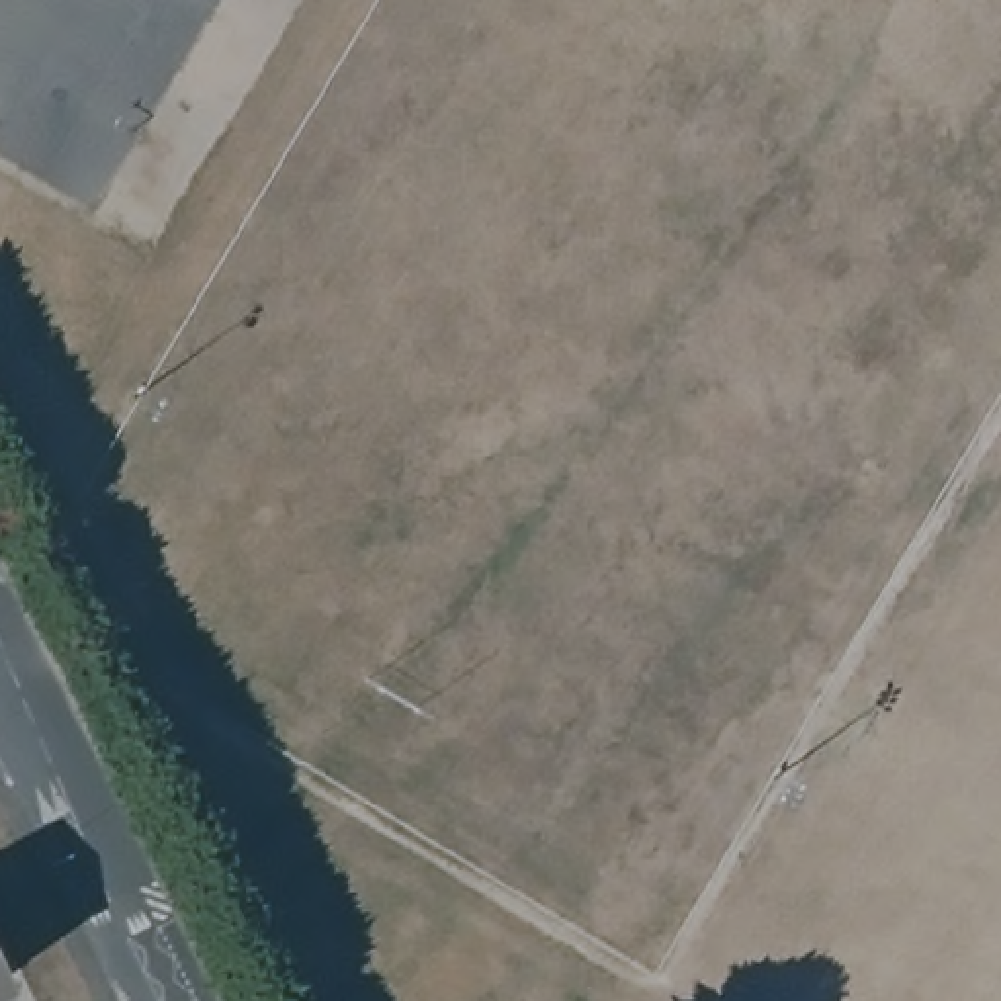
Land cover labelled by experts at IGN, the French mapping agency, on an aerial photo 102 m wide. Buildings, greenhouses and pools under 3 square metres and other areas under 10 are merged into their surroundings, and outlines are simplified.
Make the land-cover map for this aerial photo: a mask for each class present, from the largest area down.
<instances>
[{"label":"herbaceous vegetation","instance_id":"1","mask_svg":"<svg viewBox=\"0 0 1001 1001\"><path fill-rule=\"evenodd\" d=\"M1001 395V0H301L278 47L270 51L258 82L242 98L239 113L215 137L211 152L176 199L164 231L156 239H137L121 227H102L98 211L0 156V403L8 407L12 430L27 450V469L35 473V485L51 493V567L59 575L66 567L90 571V587L109 614L102 653H129L133 688H145L160 716H168L172 743L180 747L176 766L199 774V805L211 809L215 821L235 837V876L250 880L266 895L270 927L262 931V938L274 954L282 950L293 958V978L305 985V1001H1001V434L985 454L981 473L962 497L958 512L938 532L927 559L911 571L907 587L895 594L856 673L841 688V723L817 735L802 759H790V774L805 778V790L774 805L759 837L747 845L735 876L719 892L700 938L692 942V958H673L665 942L692 911L700 888L727 852L731 833L743 821L751 798L770 778L766 759L794 739L805 704L821 692V680L833 673L837 657L860 630L884 579L895 571L899 555L915 540L923 516L935 508L954 461L966 454L970 434L981 426L985 411ZM512 520H524L536 536L512 571L489 575L485 559L497 551ZM297 743H317V766L352 786L360 798L379 802L395 817L434 833L442 845L461 852V860L489 868L508 888H520L536 903L555 907L563 919L579 923L598 942L637 958L649 970H665L673 985H630L610 970L594 966L590 958H583L579 950H571L567 942L536 931L501 903L457 884L422 856L371 833L356 817L328 805L309 813L305 794L293 778V762L285 759V747Z\"/></svg>","mask_w":1001,"mask_h":1001},{"label":"impervious surface","instance_id":"2","mask_svg":"<svg viewBox=\"0 0 1001 1001\"><path fill-rule=\"evenodd\" d=\"M219 0H0V156L98 211L109 180L125 164L137 133L152 121L164 90L184 66L188 51L196 47L203 23L215 16ZM20 587L0 559V1001H211L199 966L172 919L164 884H152L141 849L133 845L102 782V770L90 755L98 739L70 688V676L63 661H55V653L47 649L35 618H20Z\"/></svg>","mask_w":1001,"mask_h":1001},{"label":"deciduous trees","instance_id":"3","mask_svg":"<svg viewBox=\"0 0 1001 1001\"><path fill-rule=\"evenodd\" d=\"M0 559L20 587V618H35L47 649L55 653V661H63L70 676V688L98 739L90 755L102 770V782L133 845L141 849L152 884H164L172 919L199 966L211 1001H305V985L293 978V958L282 950L274 954L262 938V931L270 927L266 895L250 880L235 876V837L215 821L211 809L199 805V774L176 766L180 747L172 743L168 716H160L145 688H133L129 653H102L109 614L90 587V571L66 567L59 575L51 567V493L35 485V473L27 469V450L12 430L8 407L0 403ZM536 536L524 520H512L497 551L485 559L489 575L512 571Z\"/></svg>","mask_w":1001,"mask_h":1001},{"label":"pervious surface","instance_id":"4","mask_svg":"<svg viewBox=\"0 0 1001 1001\"><path fill-rule=\"evenodd\" d=\"M301 0H219L215 16L203 23L196 47L188 51L184 66L164 90L152 121L137 133L125 164L109 180L98 211L102 227H121L137 239H156L164 231L176 199L211 152L215 137L239 113L242 98L258 82L270 51L278 47ZM1001 434V395L985 411L981 426L970 434L966 454L954 461L935 508L923 516L915 540L899 555L895 571L884 579L860 630L837 657L833 673L821 680V692L805 704L794 739L766 759L770 778L751 798L743 821L731 833L727 852L700 888L692 911L665 942L673 958H692V942L700 938L719 892L735 876L747 845L759 837L774 805L805 790V778L790 774V759H802L817 735L841 723V688L856 673L895 594L907 587L911 571L927 559L938 532L958 512L962 497L981 473L985 454ZM285 759L293 762V778L305 794L309 813L328 805L356 817L371 833L422 856L457 884L501 903L536 931L567 942L571 950H579L583 958H590L594 966L610 970L630 985H673L665 970H649L637 958L598 942L579 923L563 919L555 907L536 903L520 888H508L489 868L461 860V852L442 845L434 833L395 817L379 802L360 798L352 786L317 766V743H297L285 747Z\"/></svg>","mask_w":1001,"mask_h":1001}]
</instances>
